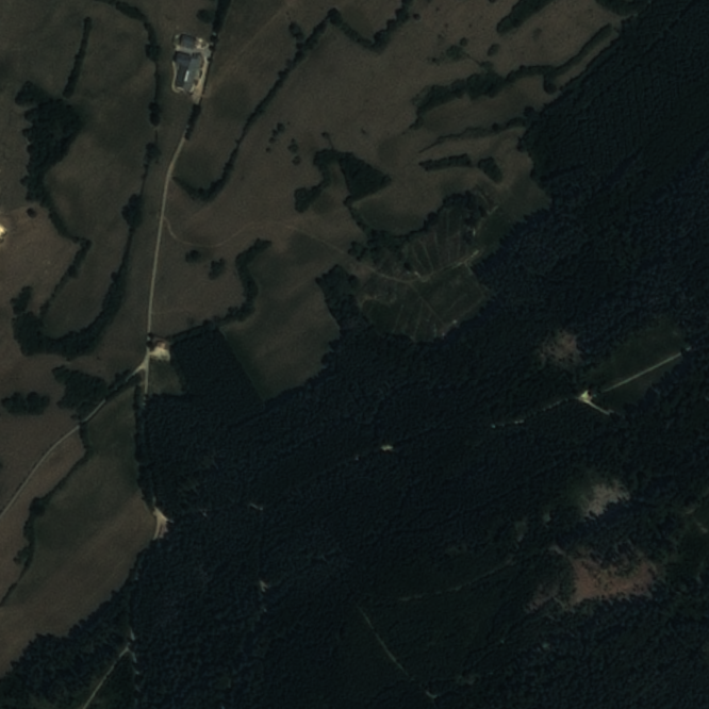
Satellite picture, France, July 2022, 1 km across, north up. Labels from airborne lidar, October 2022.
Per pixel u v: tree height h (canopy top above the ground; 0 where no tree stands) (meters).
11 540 0
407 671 6
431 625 9
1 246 0
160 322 0
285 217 0
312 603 19
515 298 22
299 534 23
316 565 25
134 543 0
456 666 7
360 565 21
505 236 0
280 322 0
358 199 9
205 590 18
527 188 0
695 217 0
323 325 0
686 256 24
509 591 10
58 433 0
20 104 12
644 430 17
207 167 0
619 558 29
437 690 18
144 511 0
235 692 13
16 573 0
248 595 19
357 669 8
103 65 0
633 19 7
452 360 23
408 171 0
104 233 0
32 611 0
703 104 12
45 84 0
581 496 0
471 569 6
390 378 20
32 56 0
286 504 28
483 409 21
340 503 27
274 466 28
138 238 0
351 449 26
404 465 20
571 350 0
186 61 0
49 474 0
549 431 9
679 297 29
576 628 17
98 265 0
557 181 21
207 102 0
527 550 12
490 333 21
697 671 27
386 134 0
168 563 23
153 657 24
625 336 28
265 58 0
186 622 25
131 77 0
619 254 17
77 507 0
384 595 6
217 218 0
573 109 15
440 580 6
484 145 0
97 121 0
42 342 13
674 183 11
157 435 22
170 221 0
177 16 0
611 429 8
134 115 0
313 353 0
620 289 12
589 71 6
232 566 31
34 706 0
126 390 7
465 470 11
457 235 0
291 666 27
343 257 0
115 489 0
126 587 6
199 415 24
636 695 28
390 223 0
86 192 0
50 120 15
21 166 0
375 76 0
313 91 0
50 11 0
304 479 27
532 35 0
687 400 20
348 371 16
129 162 0
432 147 0
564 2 0
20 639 0
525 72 9
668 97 17
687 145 14
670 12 14
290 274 0
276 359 0
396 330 0
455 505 26
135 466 0
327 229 0
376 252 10
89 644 28
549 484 17
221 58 0
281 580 27
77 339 6
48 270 0
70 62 0
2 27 0
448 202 11
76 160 0
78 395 6
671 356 0
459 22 0
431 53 0
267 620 20
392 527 26
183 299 0
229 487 29
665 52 13
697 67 17
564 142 14
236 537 22
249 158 0
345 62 0
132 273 0
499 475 27
